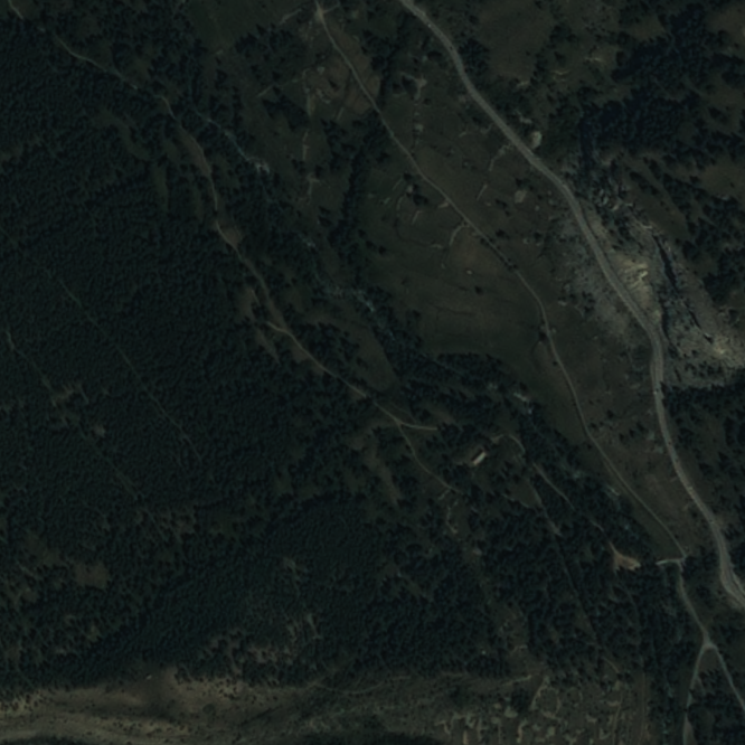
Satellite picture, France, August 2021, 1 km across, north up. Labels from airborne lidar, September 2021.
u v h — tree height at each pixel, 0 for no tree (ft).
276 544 57
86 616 83
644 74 68
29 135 81
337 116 0
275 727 0
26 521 75
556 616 74
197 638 40
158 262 74
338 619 67
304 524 76
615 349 0
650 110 69
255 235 38
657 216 0
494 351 0
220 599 44
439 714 0
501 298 0
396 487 22
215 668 46
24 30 76
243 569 71
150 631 70
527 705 31
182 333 63
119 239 78
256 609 26
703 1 71
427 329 0
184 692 0
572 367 0
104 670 72
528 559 76
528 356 0
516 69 0
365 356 0
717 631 31
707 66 84
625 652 57
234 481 80
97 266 79
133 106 77
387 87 61
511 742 0
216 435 49
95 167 83
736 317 45
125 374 73
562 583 58
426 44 22
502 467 0
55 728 0
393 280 0
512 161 0
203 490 69
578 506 59
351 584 72
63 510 58
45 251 65
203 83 75
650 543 35
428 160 0
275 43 37
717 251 64
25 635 84
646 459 0
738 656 0
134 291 82
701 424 57
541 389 0
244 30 0
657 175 63
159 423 78
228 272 83
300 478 57
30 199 70
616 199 21
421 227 0
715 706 57
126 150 90
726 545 0
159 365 43
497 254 23
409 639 81
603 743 0
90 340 66
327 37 0
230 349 78
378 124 24
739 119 0
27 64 74
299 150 0
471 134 0
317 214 0
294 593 49
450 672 59
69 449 62
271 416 88
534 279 0
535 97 18
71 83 80
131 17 67
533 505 0
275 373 34
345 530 64
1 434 59
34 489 60
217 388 81
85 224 70
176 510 67
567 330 0
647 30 0
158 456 70
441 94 0
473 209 0
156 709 0
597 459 0
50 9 22
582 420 0
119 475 59
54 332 66
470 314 0
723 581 0
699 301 0
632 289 0
